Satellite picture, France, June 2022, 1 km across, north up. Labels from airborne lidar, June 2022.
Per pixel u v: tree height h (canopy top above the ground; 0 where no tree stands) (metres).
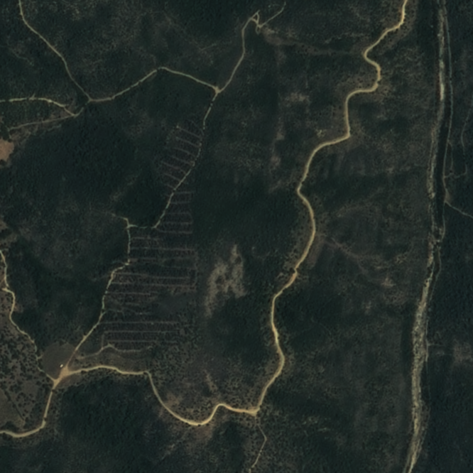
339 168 0
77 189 7
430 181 0
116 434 12
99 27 0
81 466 8
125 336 9
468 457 8
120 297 8
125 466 10
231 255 0
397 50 8
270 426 7
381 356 6
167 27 0
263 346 8
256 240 7
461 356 0
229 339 7
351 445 8
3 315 7
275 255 8
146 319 10
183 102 0
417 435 0
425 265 0
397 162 0
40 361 7
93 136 6
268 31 0
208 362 0
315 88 7
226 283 0
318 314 9
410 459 0
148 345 9
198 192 7
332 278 7
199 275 5
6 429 9
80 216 6
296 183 10
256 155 7
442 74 0
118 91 8
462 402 7
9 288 7
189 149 7
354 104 0
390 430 0
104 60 7
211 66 0
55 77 7
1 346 9
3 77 6
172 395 0
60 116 6
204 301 0
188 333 7
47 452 7
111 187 7
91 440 9
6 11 6
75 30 6
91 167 6
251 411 0
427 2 6
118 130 7
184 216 9
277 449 6
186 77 0
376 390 7
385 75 7
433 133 0
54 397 0
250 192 11
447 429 6
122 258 12
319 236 0
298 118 6
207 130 9
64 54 6
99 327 9
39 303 7
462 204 8
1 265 6
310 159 0
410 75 0
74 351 0
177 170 7
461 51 6
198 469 6
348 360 0
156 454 11
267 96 7
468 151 6
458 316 11
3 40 9
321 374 9
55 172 5
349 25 6
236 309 9
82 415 9
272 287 9
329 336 6
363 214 0
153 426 7
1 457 7
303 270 8
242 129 7
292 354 8
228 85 0
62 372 0
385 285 0
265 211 7
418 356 0
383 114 0
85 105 8
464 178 6
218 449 6
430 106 0
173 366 5
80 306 5
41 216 6
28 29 8
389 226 6
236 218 7
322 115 8
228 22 6
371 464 10
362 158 0
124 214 6
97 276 9
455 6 6
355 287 6
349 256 0
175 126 6
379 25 8
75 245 6
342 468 7
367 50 0
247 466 7
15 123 6
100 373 7
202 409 6
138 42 0
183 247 8
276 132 0
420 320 0
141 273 9
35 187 9
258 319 9
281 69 7
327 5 8
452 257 7
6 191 10
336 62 8
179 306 0
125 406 13
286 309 11
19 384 9
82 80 6
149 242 7
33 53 6
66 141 10
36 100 6
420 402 0
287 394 9
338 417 9
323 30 8
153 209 6
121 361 0
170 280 7
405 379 0
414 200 0
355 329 6
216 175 9
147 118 0
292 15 6
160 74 7
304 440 9
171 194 7
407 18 7
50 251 8
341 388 7
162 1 6
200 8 8
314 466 9
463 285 8
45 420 8
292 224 6
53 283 0
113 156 9
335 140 0
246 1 7
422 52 8
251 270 10
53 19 6
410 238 8
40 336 7
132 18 6
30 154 7
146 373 12
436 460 6
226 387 7
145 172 6
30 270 12
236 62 0
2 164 12
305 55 6
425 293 0
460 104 8
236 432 9
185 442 8
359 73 7
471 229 7
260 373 6
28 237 0
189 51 0
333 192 6
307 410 8
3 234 13
